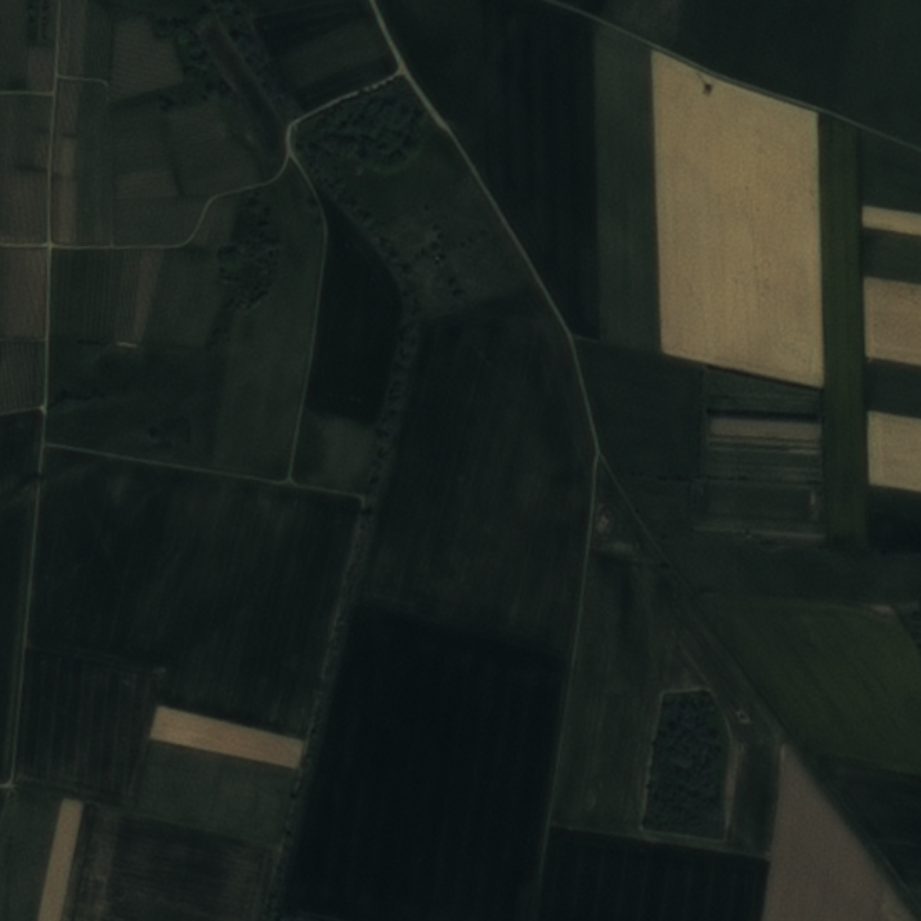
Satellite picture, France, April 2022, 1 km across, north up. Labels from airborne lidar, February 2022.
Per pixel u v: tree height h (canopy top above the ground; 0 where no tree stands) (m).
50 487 0
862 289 0
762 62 0
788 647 0
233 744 0
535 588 0
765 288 0
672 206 0
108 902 0
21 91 0
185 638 0
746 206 0
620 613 0
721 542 0
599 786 0
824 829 0
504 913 0
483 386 0
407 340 17
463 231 0
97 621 0
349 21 0
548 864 0
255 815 0
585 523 0
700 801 12
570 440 0
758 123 0
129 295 0
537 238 0
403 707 0
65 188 0
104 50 0
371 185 0
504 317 0
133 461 0
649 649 0
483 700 0
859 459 0
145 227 0
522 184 0
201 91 0
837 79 0
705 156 0
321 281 0
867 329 0
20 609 0
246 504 0
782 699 0
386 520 0
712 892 0
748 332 0
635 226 0
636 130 0
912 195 0
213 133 0
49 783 0
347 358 0
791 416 7
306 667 0
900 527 0
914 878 0
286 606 0
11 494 0
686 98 0
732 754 0
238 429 0
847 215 0
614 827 0
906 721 0
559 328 0
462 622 0
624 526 0
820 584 0
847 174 0
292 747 0
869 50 0
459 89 0
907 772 0
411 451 0
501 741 0
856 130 0
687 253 0
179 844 0
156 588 0
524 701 0
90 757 0
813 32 0
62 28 0
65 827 0
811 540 0
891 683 0
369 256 0
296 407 0
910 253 0
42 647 0
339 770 0
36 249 0
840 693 0
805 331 0
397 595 0
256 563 0
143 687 0
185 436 0
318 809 0
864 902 0
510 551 0
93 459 0
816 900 0
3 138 0
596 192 0
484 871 0
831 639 0
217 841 0
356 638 0
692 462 0
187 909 0
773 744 0
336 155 8
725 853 0
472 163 0
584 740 0
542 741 0
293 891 0
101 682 0
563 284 0
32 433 0
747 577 0
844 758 0
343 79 0
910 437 0
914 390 0
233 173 0
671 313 0
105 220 0
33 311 0
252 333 0
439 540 0
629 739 0
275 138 0
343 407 0
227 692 0
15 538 0
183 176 0
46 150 0
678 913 0
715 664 0
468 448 0
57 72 0
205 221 0
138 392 0
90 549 0
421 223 0
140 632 0
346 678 0
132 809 0
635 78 0
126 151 0
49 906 0
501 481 0
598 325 0
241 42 16
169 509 0
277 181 0
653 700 0
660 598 0
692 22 0
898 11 0
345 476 0
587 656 0
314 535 0
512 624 0
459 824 0
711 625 0
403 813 0
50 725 0
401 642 0
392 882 0
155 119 0
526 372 0
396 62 0
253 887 0
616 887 0
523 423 0
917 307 0
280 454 0
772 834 0
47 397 0
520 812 0
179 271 0
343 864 0
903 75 0
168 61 0
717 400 0
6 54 0
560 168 0
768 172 0
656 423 0
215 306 0
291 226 0
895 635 0
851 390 0
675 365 0
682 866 0
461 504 0
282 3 0
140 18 0
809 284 0
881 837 0
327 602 0
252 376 0
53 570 0
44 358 0
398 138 13
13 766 0
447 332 0
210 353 0
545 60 0
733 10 0
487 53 0
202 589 0
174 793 0
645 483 0
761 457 0
